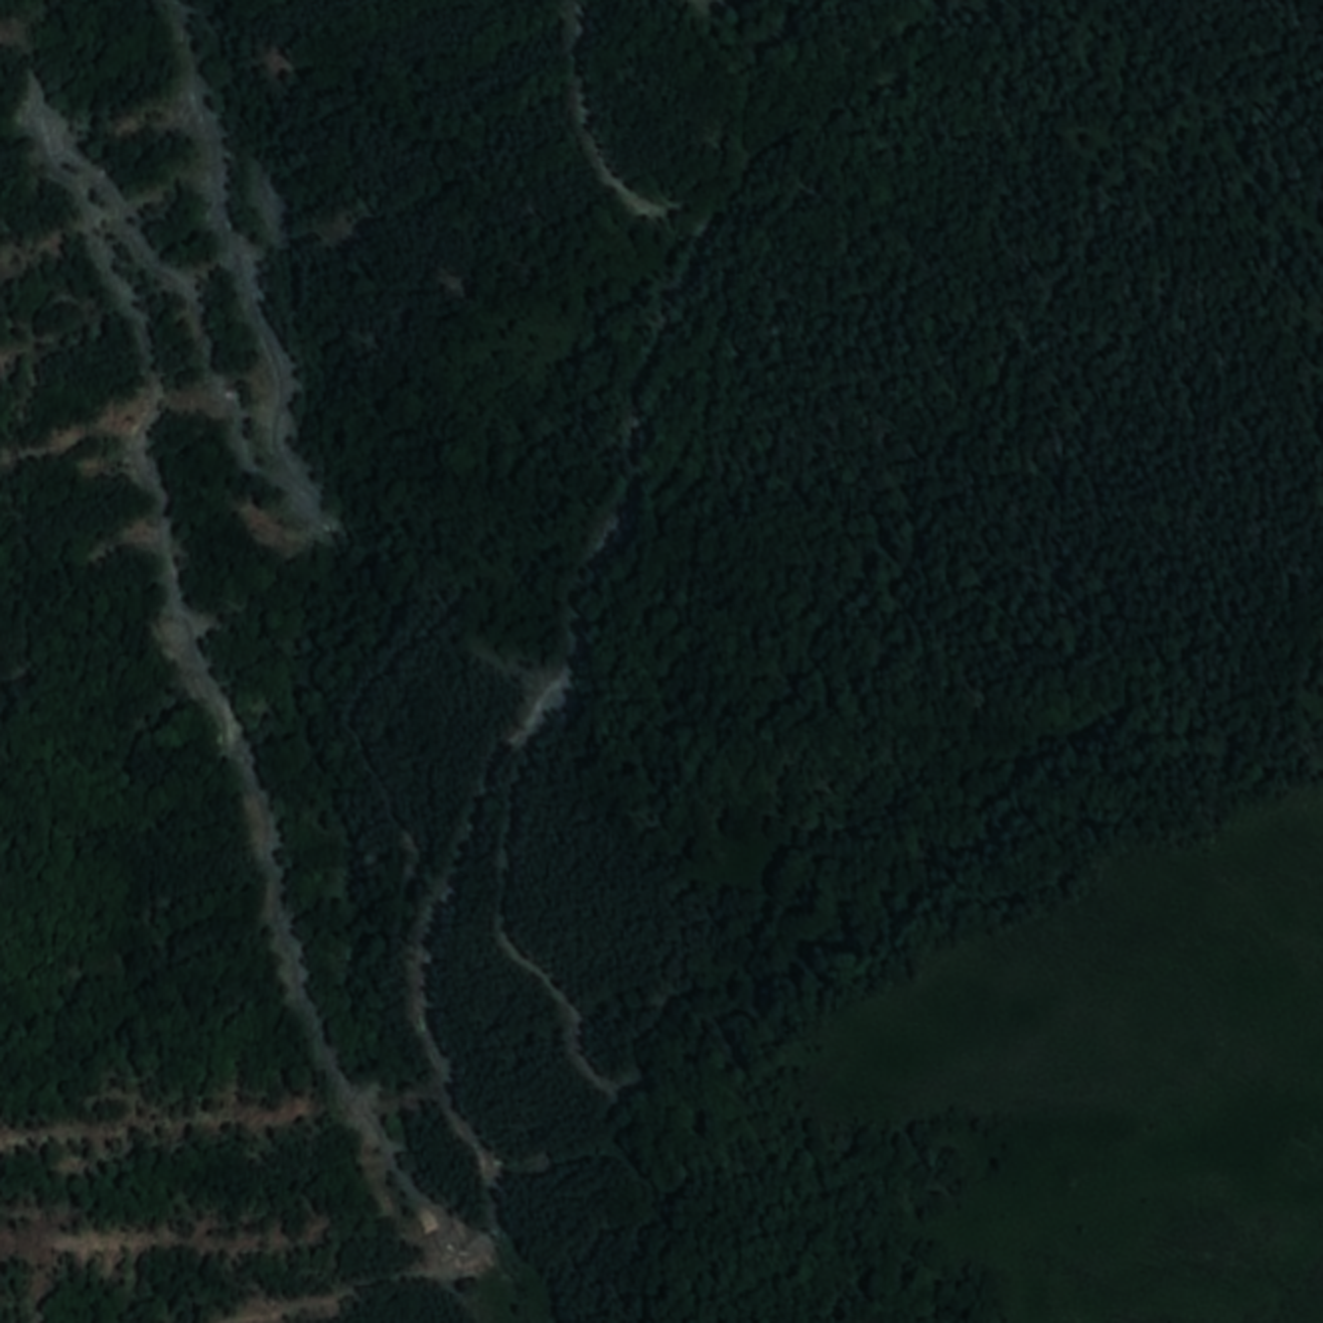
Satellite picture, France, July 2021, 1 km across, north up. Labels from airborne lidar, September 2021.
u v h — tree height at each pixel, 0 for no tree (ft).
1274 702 36
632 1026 52
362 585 47
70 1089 83
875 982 63
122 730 56
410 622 83
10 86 73
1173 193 58
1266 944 0
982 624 83
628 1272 71
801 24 70
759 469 85
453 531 54
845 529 63
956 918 52
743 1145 62
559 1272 57
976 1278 57
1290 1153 0
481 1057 68
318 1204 79
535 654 19
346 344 65
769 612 74
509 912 61
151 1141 88
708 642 85
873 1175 83
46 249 25
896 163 42
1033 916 58
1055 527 73
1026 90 64
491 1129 57
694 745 82
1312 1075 0
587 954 57
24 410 34
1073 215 77
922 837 63
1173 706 82
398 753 83
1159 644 66
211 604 80
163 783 71
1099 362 64
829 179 66
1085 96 69
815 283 65
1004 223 51
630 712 100
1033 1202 0
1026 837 86
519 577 25
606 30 69
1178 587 63
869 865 103
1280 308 70
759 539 97
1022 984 0
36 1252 0
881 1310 86
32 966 35
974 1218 0
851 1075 0
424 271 66
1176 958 0
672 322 81
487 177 82
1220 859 0
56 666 82
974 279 61
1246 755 100
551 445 71
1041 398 60
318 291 62
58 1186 94
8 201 81
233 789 81
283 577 92
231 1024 69
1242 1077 0
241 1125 82
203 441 71
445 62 79
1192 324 80
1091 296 39
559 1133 80
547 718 0
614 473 92
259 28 71
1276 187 82
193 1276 48
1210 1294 0
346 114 63
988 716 52
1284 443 56
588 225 74
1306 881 0
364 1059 38
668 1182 86
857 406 52
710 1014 103
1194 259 67
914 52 78
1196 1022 0
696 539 73
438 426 54
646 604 81
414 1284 63
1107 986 0
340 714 60
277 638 60
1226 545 43
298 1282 55
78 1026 133
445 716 60
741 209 65
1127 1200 0
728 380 61
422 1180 67
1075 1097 0
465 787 59
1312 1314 0
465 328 61
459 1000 64
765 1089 27
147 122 31
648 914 68
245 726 113
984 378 81
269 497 66
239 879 65
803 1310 87
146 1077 80
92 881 128
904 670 78
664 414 70
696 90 64
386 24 66
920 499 63
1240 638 72
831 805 54
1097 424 74
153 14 58
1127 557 73
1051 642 74
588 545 41
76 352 54
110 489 65
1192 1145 0
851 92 66
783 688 64
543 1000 64
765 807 109
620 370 70
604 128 59
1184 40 95
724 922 52
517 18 59
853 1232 55
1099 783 87
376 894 65
